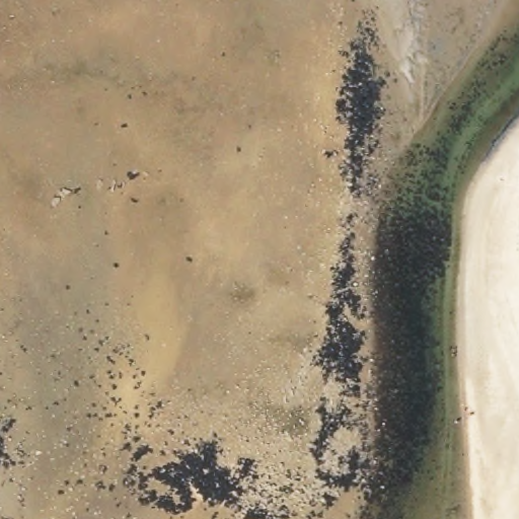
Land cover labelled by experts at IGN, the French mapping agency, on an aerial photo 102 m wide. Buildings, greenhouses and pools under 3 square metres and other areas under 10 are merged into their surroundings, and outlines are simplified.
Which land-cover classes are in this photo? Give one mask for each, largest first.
<instances>
[{"label":"bare soil","instance_id":"1","mask_svg":"<svg viewBox=\"0 0 519 519\"><path fill-rule=\"evenodd\" d=\"M519 26V0H0V428L6 420L14 418L12 430L4 436V452L10 454L14 466H0V519H359V511L365 505V497L361 491L353 487H326L316 476L312 446L320 432L318 407H326L328 412H339L345 407L351 410V414L343 420V426L335 432V436L326 440L322 464L330 474H347L349 466L339 464V458L355 450L357 446H369L375 442L379 432L375 428L377 379L373 377L375 326L373 302L369 298V268L375 262V229L379 223V213L385 207H393V199L397 197V191L387 180L389 170L401 154H405L412 142L430 146L436 140V134L442 132L450 122V103L460 93L462 83L468 79L472 67L483 59L485 49L499 32L515 34ZM353 41L365 43L367 55H371L375 61V79L385 81L379 99L375 101V107L381 109V118L373 122V132L365 134L363 146L357 148V154L363 158L361 176L351 174L349 148L345 144L349 138L351 114L337 112L343 75L355 65V51L351 49ZM349 233H355V274L351 282L353 292L359 296V308L351 312V308L347 306L343 308L341 316L343 320L353 324L355 339L363 343L361 349L355 353V361L363 369L353 379H347L343 373H330V379L326 381L322 377V369L314 365L312 359L318 355L326 339V306L337 302V298L332 296V268H345L341 255V241ZM205 442H213L217 446V464L229 468V476L235 478L237 485H241L243 495L231 491L237 503L209 505V501L201 495L197 487L189 489L193 505L184 513H168L156 505L140 503V497H148L152 491L170 497L174 503H180L178 491L154 478L152 470L170 462H180L184 454H195L197 450H201ZM456 371L460 416L462 424L466 426L468 438L472 519H519V120L507 132V136L493 152V156L485 164H480L472 182L466 189L462 205V253L456 288Z\"/></svg>","mask_w":519,"mask_h":519},{"label":"water","instance_id":"2","mask_svg":"<svg viewBox=\"0 0 519 519\"><path fill-rule=\"evenodd\" d=\"M450 122L442 132L436 134V140L430 146L412 142L405 154H401L389 170L387 180L397 191V197L393 199V207H385L379 213V223L375 229V262L369 268V298L373 302L375 326L373 377L377 379L375 428L379 432L375 442L377 474L367 480L371 493L365 497V505L359 511V519H472L468 438L466 426L462 424L460 416L456 371V288L462 253V205L466 189L472 182L480 164H485L493 156V152L507 136V132L519 120V26L515 34L499 32L485 49L483 59L472 67L468 79L462 83L460 93L450 103Z\"/></svg>","mask_w":519,"mask_h":519},{"label":"herbaceous vegetation","instance_id":"3","mask_svg":"<svg viewBox=\"0 0 519 519\"><path fill-rule=\"evenodd\" d=\"M351 49L355 51V65L343 75L337 112L351 114L349 138L345 144L349 148L351 174L361 176L363 158L357 154V148L363 146L365 134L373 132V122L381 118V109L375 107V101L379 99L385 81L375 79V61L371 55H367L365 43L353 41ZM355 233H349L341 241V255L345 268H332V296L337 298V302L326 306V339L318 355L312 359L314 365L322 369V377L326 381L330 379V373H343L347 379H353L363 369L355 361V353L361 349L363 343L355 339L353 324L343 320L341 316L343 308L347 306L351 308V312L359 308V296L353 292L351 282L355 274ZM351 414V410L345 407L339 412H328L326 407H318L320 432L312 446L316 476L326 487H353L361 491L365 497L371 493L367 480L377 474L375 442L369 446H357L355 450L339 458V464L349 466L347 474H330L322 464L326 440L335 436V432L343 426V420ZM14 418L6 420L0 428V466H14L10 454L4 452V436L12 430ZM154 478L178 491L180 503H174L170 497L152 491L148 497H140V503L156 505L168 513H184L193 505L189 489L197 487L201 495L209 501V505L237 503L231 491L243 495L241 485H237L235 478L229 476V468L217 464V446L213 442H205L201 450H197L195 454H184L180 462H170L152 470Z\"/></svg>","mask_w":519,"mask_h":519}]
</instances>
